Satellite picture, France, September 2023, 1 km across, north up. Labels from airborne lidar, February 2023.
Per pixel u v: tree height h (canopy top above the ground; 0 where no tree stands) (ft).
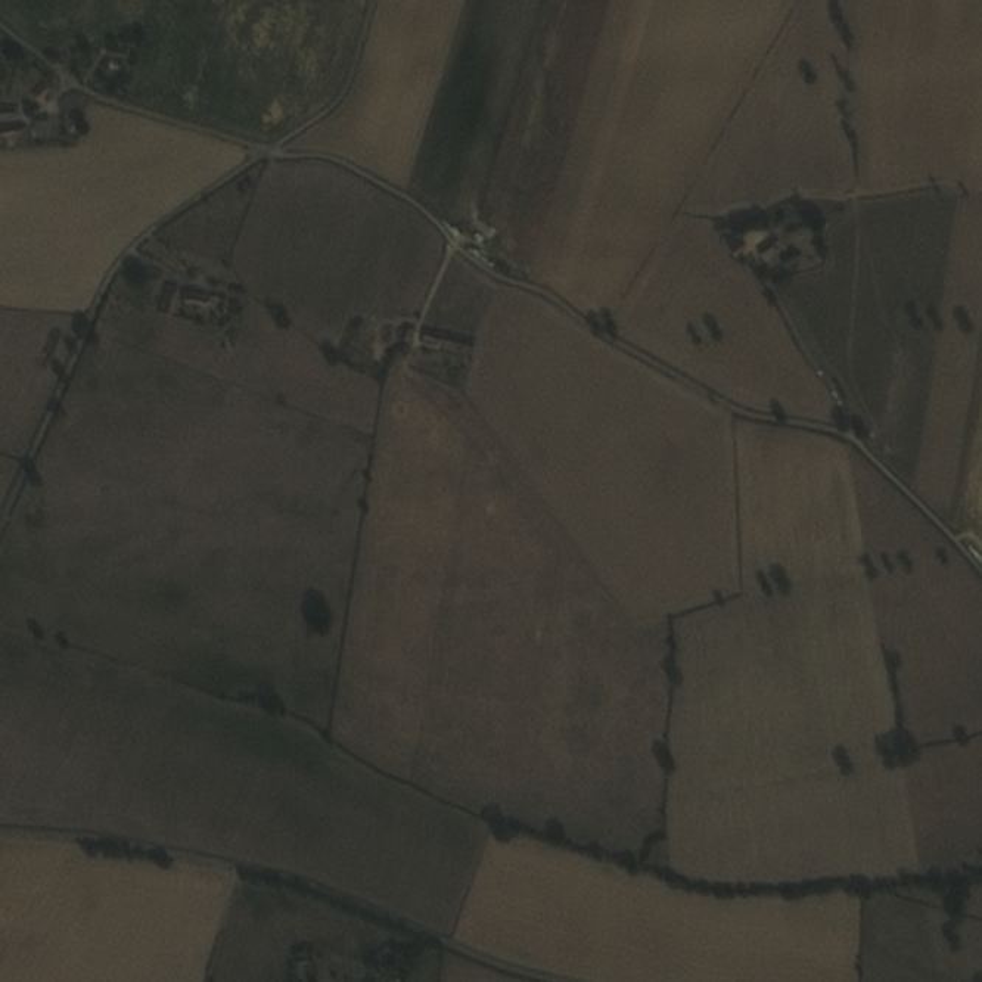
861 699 0
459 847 0
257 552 0
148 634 0
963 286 0
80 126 48
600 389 0
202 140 0
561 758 0
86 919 0
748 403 0
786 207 0
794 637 0
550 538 0
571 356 0
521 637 0
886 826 0
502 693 0
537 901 0
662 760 59
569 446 0
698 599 0
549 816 0
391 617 0
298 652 0
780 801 0
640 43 0
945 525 0
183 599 0
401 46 0
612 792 0
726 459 0
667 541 0
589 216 0
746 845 0
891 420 0
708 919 0
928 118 0
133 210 0
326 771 0
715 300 0
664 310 0
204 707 0
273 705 64
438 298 0
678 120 0
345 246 0
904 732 27
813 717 0
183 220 0
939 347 0
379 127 0
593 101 0
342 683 0
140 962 0
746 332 0
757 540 0
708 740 0
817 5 0
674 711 0
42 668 0
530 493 0
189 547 0
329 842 0
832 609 0
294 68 0
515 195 0
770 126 0
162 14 0
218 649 0
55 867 0
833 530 0
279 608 0
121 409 0
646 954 0
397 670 0
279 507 0
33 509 0
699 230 0
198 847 0
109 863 0
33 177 0
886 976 0
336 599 0
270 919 0
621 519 0
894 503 0
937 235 0
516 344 0
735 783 0
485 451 0
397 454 0
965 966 0
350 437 0
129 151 0
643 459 0
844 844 0
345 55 0
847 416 47
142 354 0
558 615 0
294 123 0
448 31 0
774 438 0
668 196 0
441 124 0
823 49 0
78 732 0
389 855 0
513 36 0
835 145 0
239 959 0
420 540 0
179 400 0
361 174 0
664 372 0
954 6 0
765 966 0
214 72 0
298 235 0
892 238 0
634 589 0
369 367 0
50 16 0
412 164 0
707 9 0
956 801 0
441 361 0
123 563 0
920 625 0
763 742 0
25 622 0
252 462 0
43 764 0
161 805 0
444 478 0
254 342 0
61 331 0
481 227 0
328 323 0
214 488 0
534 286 0
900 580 0
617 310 0
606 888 0
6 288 0
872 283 0
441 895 0
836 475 0
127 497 0
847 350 0
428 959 0
